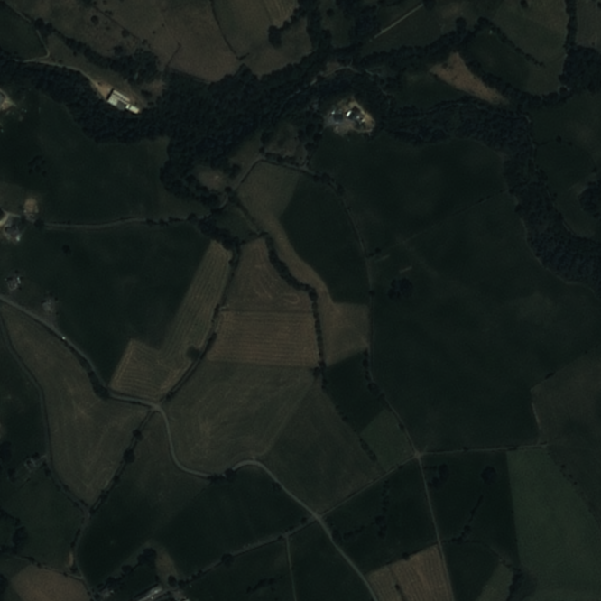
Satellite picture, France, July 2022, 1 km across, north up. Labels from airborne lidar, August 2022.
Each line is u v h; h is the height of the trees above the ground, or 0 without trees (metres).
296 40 0
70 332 0
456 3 0
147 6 0
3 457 18
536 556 0
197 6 0
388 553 0
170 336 0
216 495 0
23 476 0
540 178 12
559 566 0
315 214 0
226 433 0
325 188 0
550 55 0
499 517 0
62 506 0
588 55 16
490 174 0
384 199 0
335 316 0
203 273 0
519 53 8
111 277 0
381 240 0
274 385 0
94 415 0
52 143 0
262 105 21
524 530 0
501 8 0
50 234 0
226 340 0
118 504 0
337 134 0
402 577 0
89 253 0
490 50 0
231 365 0
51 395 0
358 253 0
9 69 18
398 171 0
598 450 0
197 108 15
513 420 0
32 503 0
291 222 0
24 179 0
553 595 0
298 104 12
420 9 0
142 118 13
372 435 0
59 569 0
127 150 0
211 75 0
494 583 0
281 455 0
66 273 0
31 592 0
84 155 0
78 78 12
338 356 0
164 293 0
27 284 0
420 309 0
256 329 0
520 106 7
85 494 0
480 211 0
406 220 0
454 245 0
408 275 0
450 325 0
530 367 0
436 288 0
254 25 0
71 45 15
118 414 0
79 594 0
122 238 0
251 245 0
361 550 0
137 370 0
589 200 9
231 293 0
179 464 0
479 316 0
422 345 0
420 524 0
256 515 0
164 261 0
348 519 0
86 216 0
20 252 0
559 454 0
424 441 0
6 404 0
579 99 0
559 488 0
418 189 0
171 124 17
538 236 10
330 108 0
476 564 0
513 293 0
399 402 0
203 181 0
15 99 0
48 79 9
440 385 0
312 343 0
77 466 0
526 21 0
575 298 0
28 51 0
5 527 0
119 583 9
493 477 17
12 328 0
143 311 0
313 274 0
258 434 0
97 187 0
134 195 0
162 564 0
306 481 0
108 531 0
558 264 9
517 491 0
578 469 0
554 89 0
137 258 0
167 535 0
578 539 0
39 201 0
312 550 0
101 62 9
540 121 0
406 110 11
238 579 0
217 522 0
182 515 0
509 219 0
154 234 0
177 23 0
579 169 0
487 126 10
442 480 13
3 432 0
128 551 0
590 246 12
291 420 0
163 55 0
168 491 0
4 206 0
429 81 0
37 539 0
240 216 0
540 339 0
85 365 15
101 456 0
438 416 0
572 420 0
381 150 0
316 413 0
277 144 0
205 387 0
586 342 0
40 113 0
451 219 0
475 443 0
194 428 0
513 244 0
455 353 0
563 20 0
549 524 0
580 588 0
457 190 0
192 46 0
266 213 0
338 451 0
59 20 0
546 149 0
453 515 0
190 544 0
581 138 0
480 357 0
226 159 17
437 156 0
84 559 0
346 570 0
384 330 0
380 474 0
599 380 0
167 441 0
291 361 0
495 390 0
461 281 0
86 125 14
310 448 0
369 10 17
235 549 0
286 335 0
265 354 0
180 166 24
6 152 0
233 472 13
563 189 0
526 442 0
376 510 0
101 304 0
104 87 0
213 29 0
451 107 7
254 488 0
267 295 0
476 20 0
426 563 0
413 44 0
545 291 0
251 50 0
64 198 0
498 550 0
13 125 0
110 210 0
